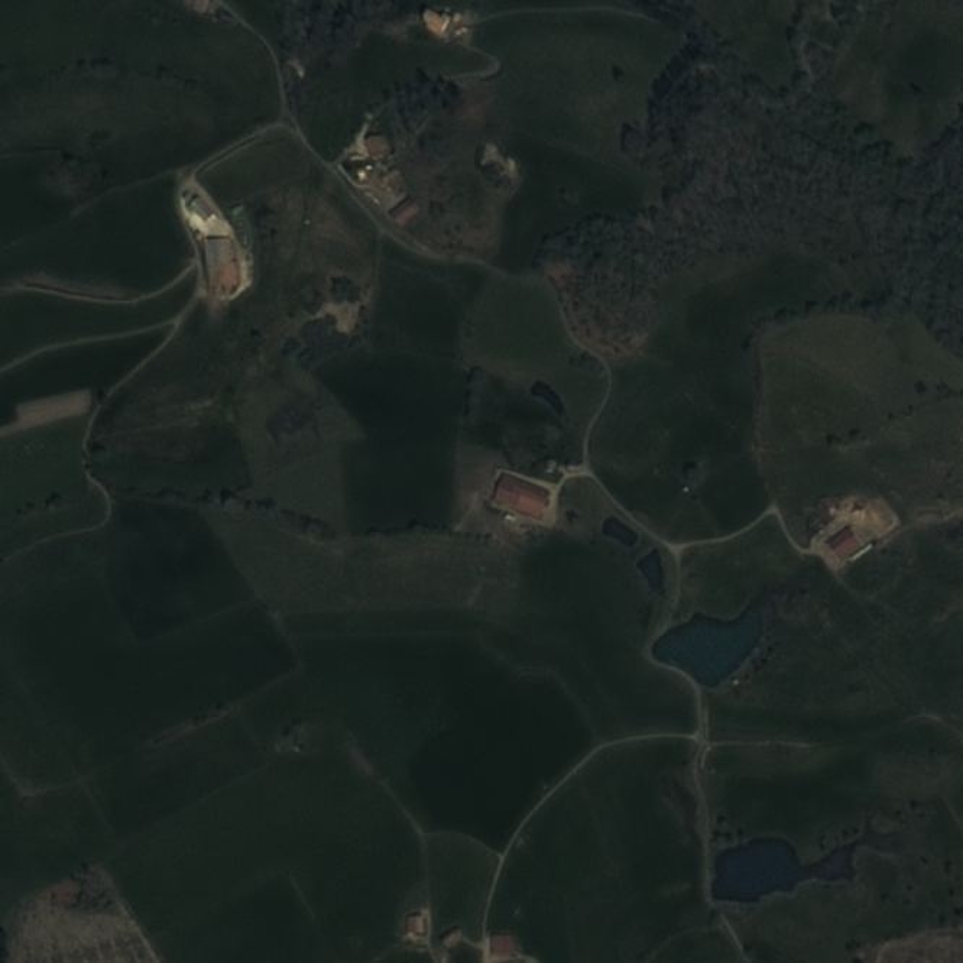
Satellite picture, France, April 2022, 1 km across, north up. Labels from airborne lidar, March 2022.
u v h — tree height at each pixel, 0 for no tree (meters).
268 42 0
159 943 0
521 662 0
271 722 0
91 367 0
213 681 0
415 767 0
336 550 0
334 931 0
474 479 0
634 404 0
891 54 0
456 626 0
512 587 0
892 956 0
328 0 20
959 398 8
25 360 0
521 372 0
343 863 0
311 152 0
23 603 0
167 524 0
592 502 0
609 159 0
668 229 12
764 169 13
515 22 0
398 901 0
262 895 0
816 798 0
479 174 0
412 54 0
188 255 0
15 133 0
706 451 0
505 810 0
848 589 0
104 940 0
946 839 0
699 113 25
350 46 21
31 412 0
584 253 10
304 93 20
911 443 0
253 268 0
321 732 0
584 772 0
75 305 0
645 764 0
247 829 0
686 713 0
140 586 0
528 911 0
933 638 0
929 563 0
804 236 11
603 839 0
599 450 0
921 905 0
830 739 0
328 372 0
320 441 0
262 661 0
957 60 0
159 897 0
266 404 0
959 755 0
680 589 0
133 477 0
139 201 0
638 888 0
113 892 0
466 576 0
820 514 0
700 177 22
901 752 0
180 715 0
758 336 6
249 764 0
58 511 9
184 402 0
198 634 0
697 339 0
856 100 0
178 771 0
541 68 0
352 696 0
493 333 0
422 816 0
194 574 0
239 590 0
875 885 0
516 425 0
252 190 0
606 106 0
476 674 0
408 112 10
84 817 0
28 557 0
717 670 0
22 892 0
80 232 0
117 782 0
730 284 0
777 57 0
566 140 0
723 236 14
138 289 0
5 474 0
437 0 0
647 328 13
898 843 0
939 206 11
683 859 0
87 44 0
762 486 0
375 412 0
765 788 0
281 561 0
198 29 0
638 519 0
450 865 0
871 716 0
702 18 16
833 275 0
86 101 0
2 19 0
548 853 0
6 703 0
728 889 0
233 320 0
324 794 0
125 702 0
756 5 0
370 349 0
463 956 0
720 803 0
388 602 0
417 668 0
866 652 0
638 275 10
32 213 0
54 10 0
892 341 0
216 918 0
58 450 0
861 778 0
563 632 0
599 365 14
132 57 0
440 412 0
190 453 0
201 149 0
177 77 7
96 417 0
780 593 0
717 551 0
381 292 0
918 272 20
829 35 5
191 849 0
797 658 0
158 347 0
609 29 0
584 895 0
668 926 0
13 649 0
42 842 0
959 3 17
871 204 16
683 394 0
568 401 0
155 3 0
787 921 0
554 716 0
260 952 0
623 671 0
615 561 9
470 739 0
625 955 0
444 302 0
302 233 0
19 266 0
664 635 0
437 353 0
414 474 0
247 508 7
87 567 0
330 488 0
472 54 0
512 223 0
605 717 0
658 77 0
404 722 0
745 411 0
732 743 0
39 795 0
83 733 0
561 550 0
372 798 0
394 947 0
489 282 0
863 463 0
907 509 0
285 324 0
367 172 0
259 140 0
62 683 0
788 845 0
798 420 0
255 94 0
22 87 0
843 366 0
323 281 0
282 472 0
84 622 0
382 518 0
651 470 0
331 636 0
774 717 0
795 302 0
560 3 0
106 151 0
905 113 0
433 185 0
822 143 6
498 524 0
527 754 0
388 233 0
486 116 0
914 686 0
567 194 6
